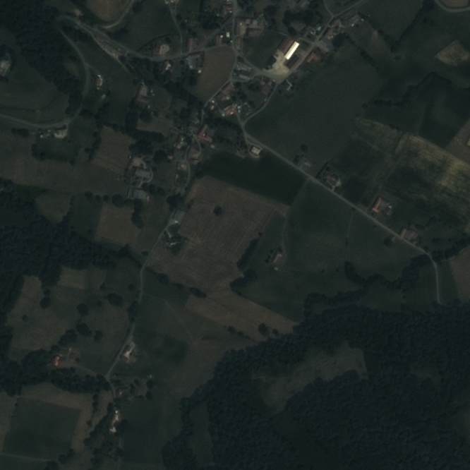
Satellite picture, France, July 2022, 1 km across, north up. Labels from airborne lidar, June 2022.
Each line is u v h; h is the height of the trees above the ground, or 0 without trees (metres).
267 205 0
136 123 20
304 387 0
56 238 20
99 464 20
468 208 0
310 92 0
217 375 21
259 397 0
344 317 26
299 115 0
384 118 0
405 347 20
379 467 18
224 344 0
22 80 0
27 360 17
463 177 0
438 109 0
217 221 0
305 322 9
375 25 8
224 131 0
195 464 23
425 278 0
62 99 0
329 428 23
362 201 0
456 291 0
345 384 17
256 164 0
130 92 0
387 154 0
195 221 0
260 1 0
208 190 0
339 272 7
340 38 17
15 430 0
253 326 0
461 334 25
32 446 0
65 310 0
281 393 0
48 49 27
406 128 0
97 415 0
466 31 0
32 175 0
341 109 0
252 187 0
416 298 0
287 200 0
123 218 0
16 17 21
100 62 0
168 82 18
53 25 25
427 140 0
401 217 0
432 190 0
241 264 18
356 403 21
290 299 0
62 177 0
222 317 0
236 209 0
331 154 0
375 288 0
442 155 0
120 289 0
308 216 0
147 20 0
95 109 0
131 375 0
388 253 0
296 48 0
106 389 12
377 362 23
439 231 0
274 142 0
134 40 0
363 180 0
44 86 0
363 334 23
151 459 0
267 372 0
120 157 0
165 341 0
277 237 0
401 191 0
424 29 0
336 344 0
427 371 0
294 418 10
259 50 0
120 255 7
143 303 0
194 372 0
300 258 0
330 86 0
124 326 0
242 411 22
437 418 23
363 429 15
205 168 0
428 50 0
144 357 0
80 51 0
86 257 22
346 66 0
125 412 0
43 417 0
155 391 0
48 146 0
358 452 14
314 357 0
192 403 19
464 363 22
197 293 16
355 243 0
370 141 0
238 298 0
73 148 0
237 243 0
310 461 0
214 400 17
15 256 21
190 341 0
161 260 0
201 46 0
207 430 0
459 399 0
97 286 0
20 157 0
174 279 0
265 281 0
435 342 24
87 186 0
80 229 0
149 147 18
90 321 0
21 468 0
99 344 0
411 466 9
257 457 23
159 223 0
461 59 0
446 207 0
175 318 0
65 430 0
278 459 25
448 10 0
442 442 25
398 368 26
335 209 0
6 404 0
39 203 0
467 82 0
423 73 0
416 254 0
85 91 0
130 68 16
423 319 25
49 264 20
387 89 0
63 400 0
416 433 18
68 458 9
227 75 0
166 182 0
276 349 22
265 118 0
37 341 0
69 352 0
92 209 0
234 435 20
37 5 24
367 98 0
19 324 0
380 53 0
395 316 21
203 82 0
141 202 13
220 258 0
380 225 0
